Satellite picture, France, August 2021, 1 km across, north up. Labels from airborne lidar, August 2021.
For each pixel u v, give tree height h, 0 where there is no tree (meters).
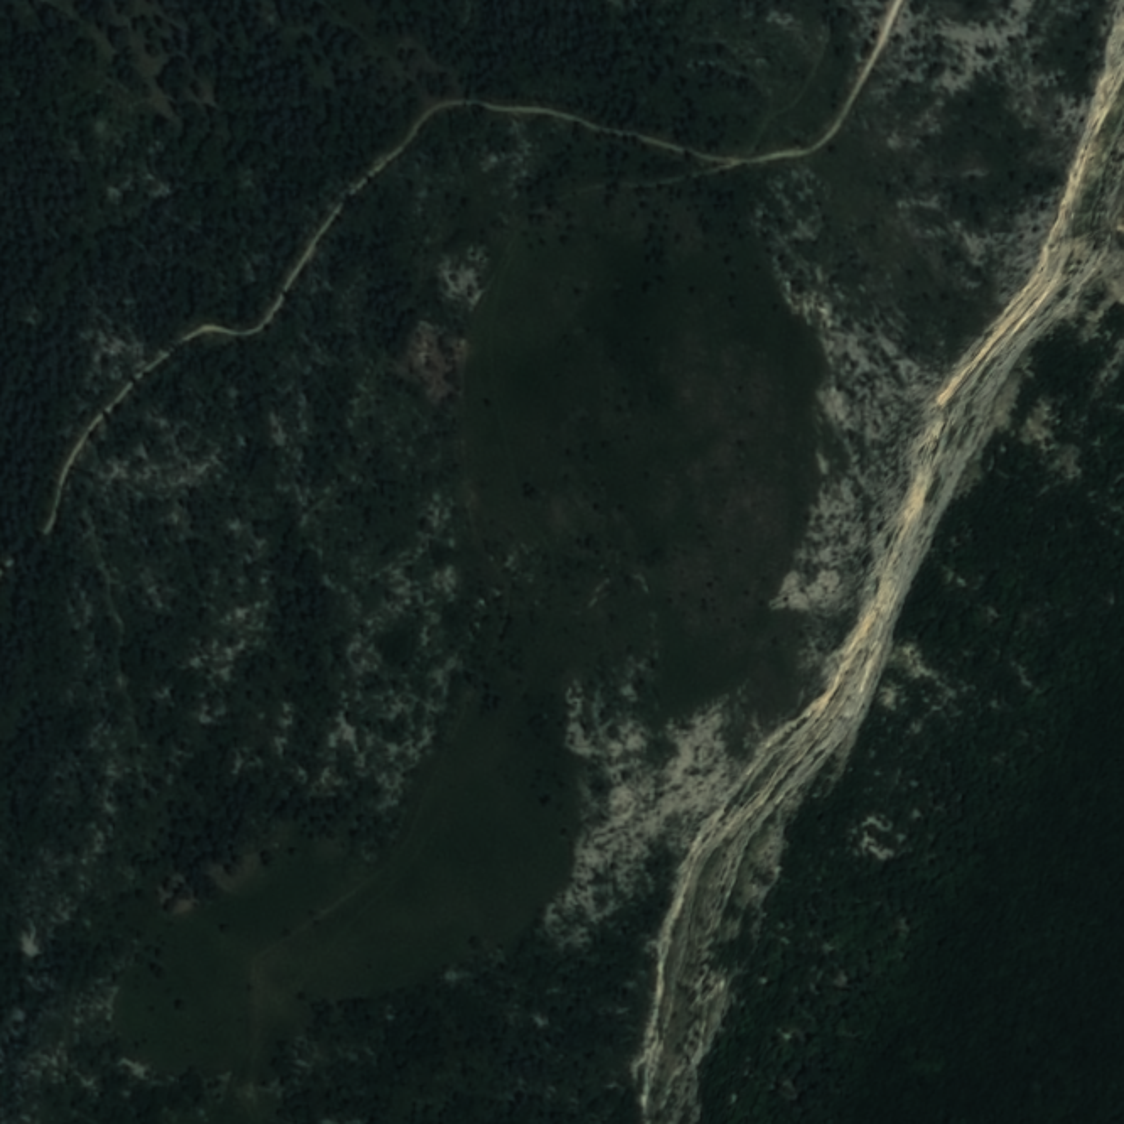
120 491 8
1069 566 11
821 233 0
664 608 0
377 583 9
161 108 0
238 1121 0
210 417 12
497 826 0
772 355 0
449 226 0
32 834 7
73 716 7
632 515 0
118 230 15
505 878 0
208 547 8
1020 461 14
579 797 0
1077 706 18
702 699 0
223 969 0
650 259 7
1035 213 0
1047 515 7
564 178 7
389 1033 8
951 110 0
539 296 0
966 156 0
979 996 18
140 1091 6
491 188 0
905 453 0
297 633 5
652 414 0
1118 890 18
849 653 0
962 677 10
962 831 17
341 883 0
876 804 6
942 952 17
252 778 7
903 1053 19
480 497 0
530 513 0
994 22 0
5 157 14
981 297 0
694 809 0
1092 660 13
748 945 7
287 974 0
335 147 8
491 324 0
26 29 9
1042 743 13
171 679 7
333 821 16
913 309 0
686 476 0
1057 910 17
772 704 0
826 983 9
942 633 13
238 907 0
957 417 0
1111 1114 18
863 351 0
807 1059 31
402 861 0
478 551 0
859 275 0
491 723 0
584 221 0
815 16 0
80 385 6
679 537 0
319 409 6
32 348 19
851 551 0
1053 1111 21
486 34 12
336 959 0
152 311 10
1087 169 0
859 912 21
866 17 0
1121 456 6
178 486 0
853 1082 26
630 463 0
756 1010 15
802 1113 24
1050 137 0
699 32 0
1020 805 11
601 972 9
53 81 7
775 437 0
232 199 8
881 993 26
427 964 0
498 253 0
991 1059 20
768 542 0
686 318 0
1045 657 16
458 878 0
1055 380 9
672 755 0
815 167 0
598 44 13
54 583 12
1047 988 21
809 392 0
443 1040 7
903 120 0
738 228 6
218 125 9
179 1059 0
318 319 7
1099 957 18
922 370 0
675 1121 9
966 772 20
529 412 0
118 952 7
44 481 10
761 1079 22
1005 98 0
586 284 0
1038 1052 19
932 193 0
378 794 10
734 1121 17
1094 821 14
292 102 10
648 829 0
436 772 0
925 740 6
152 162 6
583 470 0
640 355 0
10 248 16
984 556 7
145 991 0
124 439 6
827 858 9
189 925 0
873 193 0
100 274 9
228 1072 0
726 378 0
